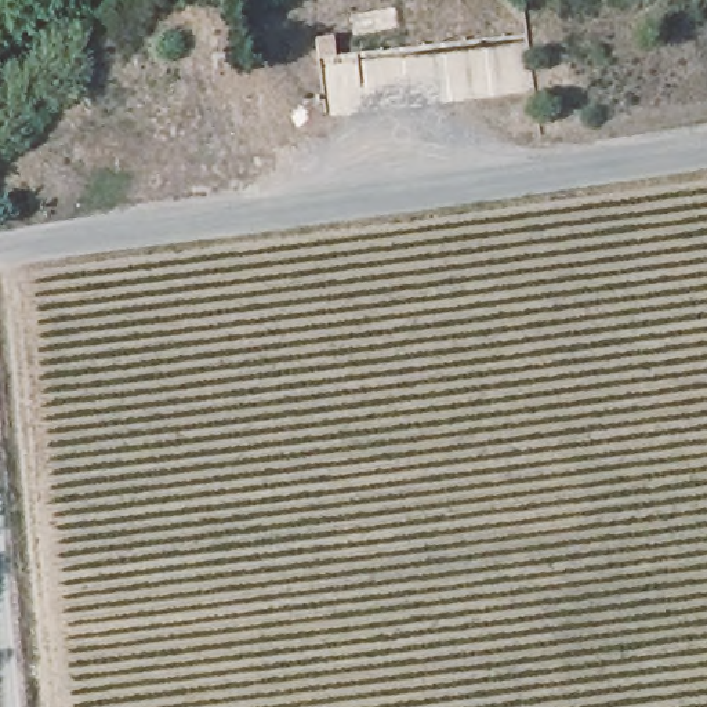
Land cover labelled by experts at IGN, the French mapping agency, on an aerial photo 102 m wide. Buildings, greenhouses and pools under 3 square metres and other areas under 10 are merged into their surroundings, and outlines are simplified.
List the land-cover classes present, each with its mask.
<instances>
[{"label":"vineyard","instance_id":"1","mask_svg":"<svg viewBox=\"0 0 707 707\"><path fill-rule=\"evenodd\" d=\"M64 260L69 265L66 273H50L36 279V304L41 331L39 351L44 359L41 378L50 392L44 409L50 447L55 458L52 505L58 514H52V527L69 530V536L58 541L64 585H80V591L66 594L64 608L66 613H83V621H69L72 627H77V632L64 638L69 649V677L75 688L72 696H77L75 707H707V168L627 182H605L588 188H566L552 193L467 202L398 215H370L354 221L268 229L232 238L116 249Z\"/></svg>","mask_w":707,"mask_h":707},{"label":"herbaceous vegetation","instance_id":"2","mask_svg":"<svg viewBox=\"0 0 707 707\"><path fill-rule=\"evenodd\" d=\"M547 0H307L304 6L293 8L290 17L307 25H337L342 33H354L351 52L356 58L359 83H365V61L376 58H431L494 47H522L525 52L530 47L544 44L547 64L552 66L530 72L533 91L547 88L550 97L558 102L561 119L577 113L588 127L599 130V138L643 135L707 124V0H646L641 8L619 11L610 6L599 8L597 17L588 19H561V14L544 8ZM646 19L660 22V44L638 55L627 36L632 25L643 28ZM174 28H180V61H168L160 55V39L168 36V30ZM229 28L215 8L188 6L182 11L168 14L157 22V30L146 39V47L130 58V64L110 66L105 94L69 108L58 122L55 133L50 135V141L19 157L14 174L6 177L8 188H28L39 196V213L30 224L108 213L113 207L127 204L215 196L229 188L232 180L254 182L260 177H268L276 168V155L282 146L296 149L309 138L337 135L342 127L340 119L331 113L329 102L326 61L312 52L293 64L235 72L226 61ZM0 561L3 574L8 572L17 580V630L22 646L19 668L25 682V707H39V682L33 674L36 619L30 608L28 539L22 516L11 370L6 351L0 284Z\"/></svg>","mask_w":707,"mask_h":707},{"label":"impervious surface","instance_id":"3","mask_svg":"<svg viewBox=\"0 0 707 707\"><path fill-rule=\"evenodd\" d=\"M312 52L326 61L329 102L331 113L340 119L342 127L337 135L309 138L296 149L282 146L276 155V168L268 177H260L254 182L232 180L229 188L215 196L127 204L113 207L108 213L30 224L0 229V273L28 262L64 260L116 249L232 238L268 229L354 221L370 215H398L467 202L552 193L566 188H588L605 182H627L707 168V124L643 135L599 138V130L588 127L577 113L561 119L536 122L527 113L533 91L530 72L522 61L525 52L522 47H494L431 58H376L365 61V83H359L356 58L351 52H337L331 36H318Z\"/></svg>","mask_w":707,"mask_h":707},{"label":"deciduous trees","instance_id":"4","mask_svg":"<svg viewBox=\"0 0 707 707\"><path fill-rule=\"evenodd\" d=\"M307 0H0V229L30 224L39 213V196L28 188H8L6 177L14 174L19 157L50 141V135L55 133L58 122L69 108L105 94L110 66L130 64V58L146 47V39L157 30V22L168 14L182 11L188 6L215 8L229 28L226 61L235 72L293 64L312 52L318 36H331L337 52H351L354 33H342L337 25H307L290 17L293 8L304 6ZM646 0H547L544 8L561 14V19H588L597 17L599 8L610 6L619 11L641 8ZM660 22L646 19L643 28L632 25L627 36L638 55L660 44ZM180 28H174L168 30V36L160 39V55L168 61H180ZM522 61L530 72L552 66L547 64L544 44L530 47L525 52ZM527 113L536 122L561 119L558 102L550 97L547 88L533 91Z\"/></svg>","mask_w":707,"mask_h":707},{"label":"plowed land","instance_id":"5","mask_svg":"<svg viewBox=\"0 0 707 707\"><path fill-rule=\"evenodd\" d=\"M69 265L64 260L28 262L0 273V284L6 351L11 370L22 516L28 539L30 608L36 619L33 674L39 682V707H75L77 696H72L75 688L69 677V649L64 638L77 632V627H72L69 621H83V613H66L64 608L66 594L80 591V585H64L58 541L69 536V530L52 527V514H58L52 505L55 458L50 447L44 409L50 392L41 378L44 359L39 351L41 331L36 304V279L50 273H66Z\"/></svg>","mask_w":707,"mask_h":707},{"label":"pervious surface","instance_id":"6","mask_svg":"<svg viewBox=\"0 0 707 707\"><path fill-rule=\"evenodd\" d=\"M22 646L17 630V580L8 572L3 574L0 561V707H25V682L19 668Z\"/></svg>","mask_w":707,"mask_h":707}]
</instances>
